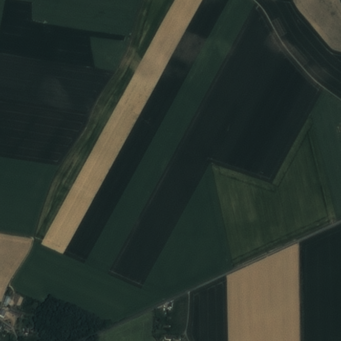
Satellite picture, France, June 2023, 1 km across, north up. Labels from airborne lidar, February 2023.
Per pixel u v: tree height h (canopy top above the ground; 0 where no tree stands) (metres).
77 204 0
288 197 0
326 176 0
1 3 0
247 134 0
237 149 0
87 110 0
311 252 0
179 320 0
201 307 0
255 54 0
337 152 0
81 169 0
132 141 0
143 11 0
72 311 20
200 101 0
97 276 0
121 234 0
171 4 0
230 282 0
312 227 0
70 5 0
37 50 0
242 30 0
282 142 0
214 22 0
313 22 0
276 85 0
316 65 0
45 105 0
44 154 0
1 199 0
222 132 0
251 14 0
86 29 0
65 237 0
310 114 0
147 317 0
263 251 0
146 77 0
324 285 0
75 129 0
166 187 0
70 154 0
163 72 0
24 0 0
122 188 0
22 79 0
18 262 0
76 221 0
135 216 0
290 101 0
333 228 0
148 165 0
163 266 0
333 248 0
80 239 0
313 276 0
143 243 0
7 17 0
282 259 0
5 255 0
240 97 0
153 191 0
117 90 0
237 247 0
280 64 0
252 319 0
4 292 0
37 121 0
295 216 0
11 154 0
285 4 0
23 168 0
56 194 0
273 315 0
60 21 0
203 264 0
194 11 0
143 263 0
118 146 0
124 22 0
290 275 0
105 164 0
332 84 0
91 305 0
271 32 0
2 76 0
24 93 0
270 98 0
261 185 0
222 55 0
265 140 0
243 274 0
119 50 0
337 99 0
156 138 0
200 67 0
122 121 0
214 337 0
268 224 0
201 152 0
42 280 0
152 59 0
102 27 0
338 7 0
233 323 0
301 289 0
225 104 0
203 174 0
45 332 23
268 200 0
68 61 0
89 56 0
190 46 0
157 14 0
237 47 0
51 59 0
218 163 0
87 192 0
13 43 0
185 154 0
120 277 0
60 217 0
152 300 0
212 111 0
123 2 0
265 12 0
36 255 0
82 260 0
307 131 0
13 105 0
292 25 0
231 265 0
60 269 0
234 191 0
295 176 0
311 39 0
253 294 0
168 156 0
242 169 0
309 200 0
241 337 0
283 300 0
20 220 0
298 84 0
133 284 0
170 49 0
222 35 0
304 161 0
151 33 0
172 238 0
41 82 0
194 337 0
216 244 0
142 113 0
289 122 0
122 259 0
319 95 0
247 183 0
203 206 0
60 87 0
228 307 0
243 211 0
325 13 0
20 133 0
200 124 0
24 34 0
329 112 0
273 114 0
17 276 0
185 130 0
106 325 15
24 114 0
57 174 0
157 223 0
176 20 0
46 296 0
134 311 0
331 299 0
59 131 0
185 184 0
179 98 0
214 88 0
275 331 0
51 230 0
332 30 0
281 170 0
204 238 0
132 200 0
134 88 0
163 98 0
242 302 0
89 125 0
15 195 0
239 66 0
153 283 0
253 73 0
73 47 0
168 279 0
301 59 0
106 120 0
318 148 0
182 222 0
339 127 0
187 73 0
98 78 0
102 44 0
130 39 0
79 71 0
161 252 0
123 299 0
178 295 0
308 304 0
